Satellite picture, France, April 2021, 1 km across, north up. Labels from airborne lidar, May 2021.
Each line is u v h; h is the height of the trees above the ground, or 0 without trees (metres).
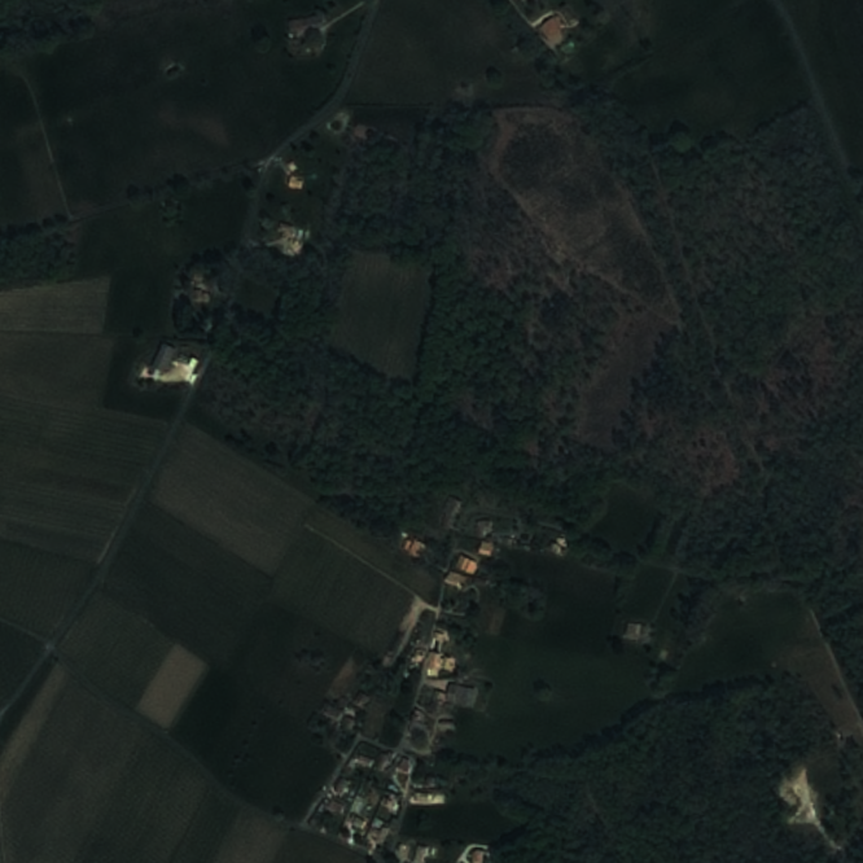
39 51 18
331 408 19
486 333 10
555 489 15
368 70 0
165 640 0
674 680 14
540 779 10
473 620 13
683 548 27
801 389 10
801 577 19
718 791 15
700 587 17
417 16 0
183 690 0
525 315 18
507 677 0
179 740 0
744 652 0
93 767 0
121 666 0
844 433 20
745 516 12
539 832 24
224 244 0
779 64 0
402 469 21
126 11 0
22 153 0
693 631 19
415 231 24
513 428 23
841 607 16
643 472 14
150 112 0
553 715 0
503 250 12
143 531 0
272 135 0
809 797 0
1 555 0
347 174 9
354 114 0
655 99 0
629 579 15
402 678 11
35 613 0
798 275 15
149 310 0
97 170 0
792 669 0
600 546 11
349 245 19
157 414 0
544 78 19
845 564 16
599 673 0
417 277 0
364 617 0
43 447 0
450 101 0
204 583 0
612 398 0
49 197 0
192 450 0
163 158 0
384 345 0
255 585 0
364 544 0
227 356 20
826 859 18
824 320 9
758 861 10
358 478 17
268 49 18
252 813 0
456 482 21
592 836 14
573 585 0
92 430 0
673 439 11
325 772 0
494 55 0
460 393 10
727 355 14
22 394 0
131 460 0
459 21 0
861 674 20
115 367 0
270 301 0
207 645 0
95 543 0
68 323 0
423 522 18
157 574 0
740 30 0
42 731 0
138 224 0
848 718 0
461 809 0
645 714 19
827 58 0
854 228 19
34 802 0
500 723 0
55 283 13
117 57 0
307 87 0
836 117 0
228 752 0
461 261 15
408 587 0
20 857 0
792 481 17
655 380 15
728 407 18
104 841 0
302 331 24
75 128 0
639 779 16
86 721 0
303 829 0
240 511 0
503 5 25
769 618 0
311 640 0
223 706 0
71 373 0
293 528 0
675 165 25
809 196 15
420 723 0
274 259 21
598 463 15
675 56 0
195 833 0
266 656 0
